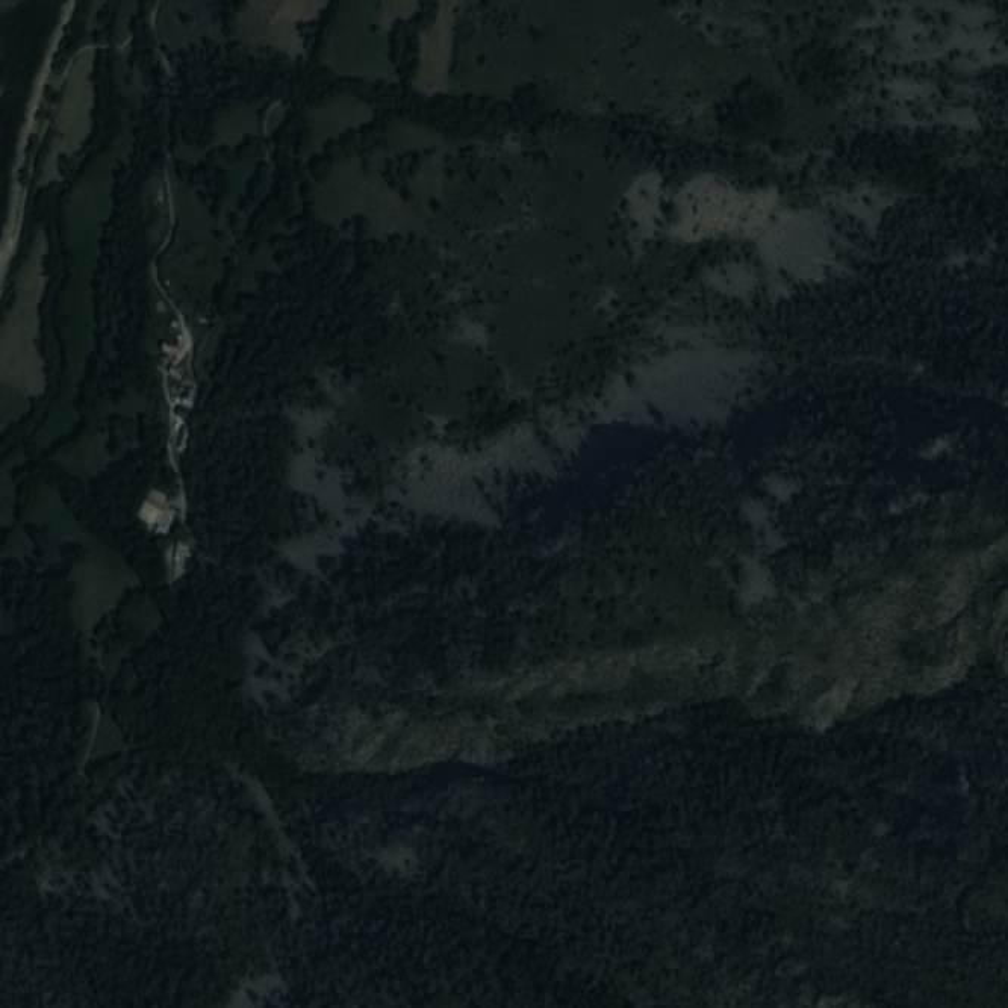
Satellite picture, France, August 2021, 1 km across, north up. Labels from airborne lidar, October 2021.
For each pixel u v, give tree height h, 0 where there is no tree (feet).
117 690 26
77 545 0
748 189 21
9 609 64
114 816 0
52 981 31
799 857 22
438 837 24
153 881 21
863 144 37
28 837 30
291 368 58
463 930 38
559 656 22
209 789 27
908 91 0
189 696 71
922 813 22
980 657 24
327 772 25
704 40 28
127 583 0
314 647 24
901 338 40
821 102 18
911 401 32
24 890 65
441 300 32
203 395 39
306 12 0
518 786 25
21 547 0
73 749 56
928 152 36
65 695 67
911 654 19
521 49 0
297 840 50
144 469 59
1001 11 25
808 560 35
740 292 0
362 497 33
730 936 46
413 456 0
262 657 0
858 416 26
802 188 26
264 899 24
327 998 24
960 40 0
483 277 0
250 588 70
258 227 44
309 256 55
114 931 54
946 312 24
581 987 32
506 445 0
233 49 49
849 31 0
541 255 0
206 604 76
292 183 51
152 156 27
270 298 62
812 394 27
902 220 20
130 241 52
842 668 0
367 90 50
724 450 20
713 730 64
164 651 72
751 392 23
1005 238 25
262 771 49
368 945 34
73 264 68
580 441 0
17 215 0
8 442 47
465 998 27
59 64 43
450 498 0
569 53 0
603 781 19
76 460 0
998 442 18
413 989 30
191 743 29
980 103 25
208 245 0
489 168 0
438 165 0
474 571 27
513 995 53
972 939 39
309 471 0
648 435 17
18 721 85
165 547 40
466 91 0
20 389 0
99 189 0
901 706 53
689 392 0
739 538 21
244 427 48
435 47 0
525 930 29
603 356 30
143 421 50
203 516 43
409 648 24
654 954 50
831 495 35
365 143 52
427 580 40
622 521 22
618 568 17
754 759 59
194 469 31
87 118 0
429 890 41
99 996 63
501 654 29
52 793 37
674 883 19
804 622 0
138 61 42
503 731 22
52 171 0
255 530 31
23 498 30
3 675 57
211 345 0
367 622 23
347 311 64
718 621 0
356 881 41
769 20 37
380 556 50
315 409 29
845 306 20
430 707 27
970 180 24
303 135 52
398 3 0
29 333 0
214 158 45
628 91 0
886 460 42
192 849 27
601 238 0
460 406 0
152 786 60
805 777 23
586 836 44
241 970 19
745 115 75
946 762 19
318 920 66
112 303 27
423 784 41
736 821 26
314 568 0
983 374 21
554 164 32
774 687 31
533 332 0
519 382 0
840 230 26
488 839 38
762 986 22
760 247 0
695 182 0
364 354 36
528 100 66
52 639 62
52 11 39
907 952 34
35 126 0
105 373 25
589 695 21
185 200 0
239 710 70
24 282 0
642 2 0
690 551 21
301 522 32
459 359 0
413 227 0
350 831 50
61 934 41
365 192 0
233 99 58
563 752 28
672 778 22
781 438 25
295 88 76
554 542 25
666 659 22
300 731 28
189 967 52
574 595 0
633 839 61
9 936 39
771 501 23
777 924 52
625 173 0
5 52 29
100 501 77
